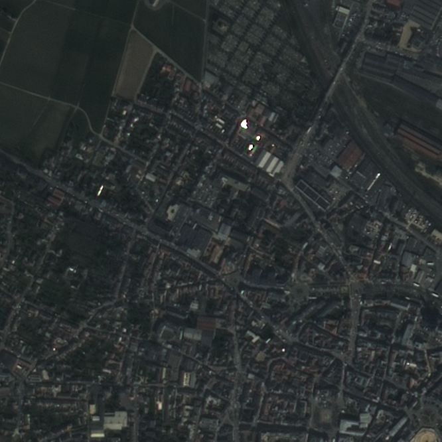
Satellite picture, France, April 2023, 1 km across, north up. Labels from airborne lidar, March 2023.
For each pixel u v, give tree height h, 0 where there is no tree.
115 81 0
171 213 0
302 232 9
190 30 0
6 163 13
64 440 0
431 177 0
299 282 0
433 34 0
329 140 0
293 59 0
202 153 10
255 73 0
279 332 0
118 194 6
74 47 0
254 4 0
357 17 0
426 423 0
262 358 0
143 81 0
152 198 14
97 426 0
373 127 0
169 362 0
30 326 6
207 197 0
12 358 0
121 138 0
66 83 0
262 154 0
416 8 0
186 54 0
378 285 14
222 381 0
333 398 0
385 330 0
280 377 0
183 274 7
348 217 6
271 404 0
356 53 8
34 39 0
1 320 12
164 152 6
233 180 0
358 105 0
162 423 6
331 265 0
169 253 0
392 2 0
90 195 7
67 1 0
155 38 0
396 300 0
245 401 0
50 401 0
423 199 0
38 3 0
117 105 8
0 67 0
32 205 8
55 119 0
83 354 6
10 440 0
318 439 0
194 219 0
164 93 6
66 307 6
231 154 0
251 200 12
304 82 0
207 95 0
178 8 0
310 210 0
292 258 8
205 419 0
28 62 0
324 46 0
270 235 8
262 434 0
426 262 0
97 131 0
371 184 0
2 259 0
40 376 0
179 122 0
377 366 0
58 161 7
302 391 0
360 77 0
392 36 10
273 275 0
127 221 0
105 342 9
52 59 0
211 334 0
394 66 0
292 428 0
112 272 9
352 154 0
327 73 0
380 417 0
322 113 8
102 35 0
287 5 0
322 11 0
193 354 0
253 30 0
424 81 0
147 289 0
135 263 7
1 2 0
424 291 12
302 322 0
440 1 0
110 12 0
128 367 0
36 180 7
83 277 12
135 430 0
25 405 8
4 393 0
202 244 0
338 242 0
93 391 0
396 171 0
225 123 7
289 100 0
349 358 0
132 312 7
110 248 7
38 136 0
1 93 0
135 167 0
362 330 0
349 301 0
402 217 6
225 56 0
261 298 0
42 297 6
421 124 0
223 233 0
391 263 0
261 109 0
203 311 0
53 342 0
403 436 0
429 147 0
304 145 0
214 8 9
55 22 0
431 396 0
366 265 0
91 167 7
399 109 0
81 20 0
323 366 0
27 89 0
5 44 0
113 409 11
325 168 0
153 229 0
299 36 0
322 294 7
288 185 0
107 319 0
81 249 0
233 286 0
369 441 0
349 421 0
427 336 10
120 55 0
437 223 9
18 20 0
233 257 0
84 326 0
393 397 11
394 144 6
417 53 0
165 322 0
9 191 0
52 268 7
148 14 0
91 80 0
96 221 7
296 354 0
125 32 0
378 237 0
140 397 0
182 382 0
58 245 5
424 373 0
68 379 6
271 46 0
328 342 0
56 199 0
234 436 0
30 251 7
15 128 0
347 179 0
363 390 0
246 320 10
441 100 0
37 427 8
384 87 0
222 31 0
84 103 0
